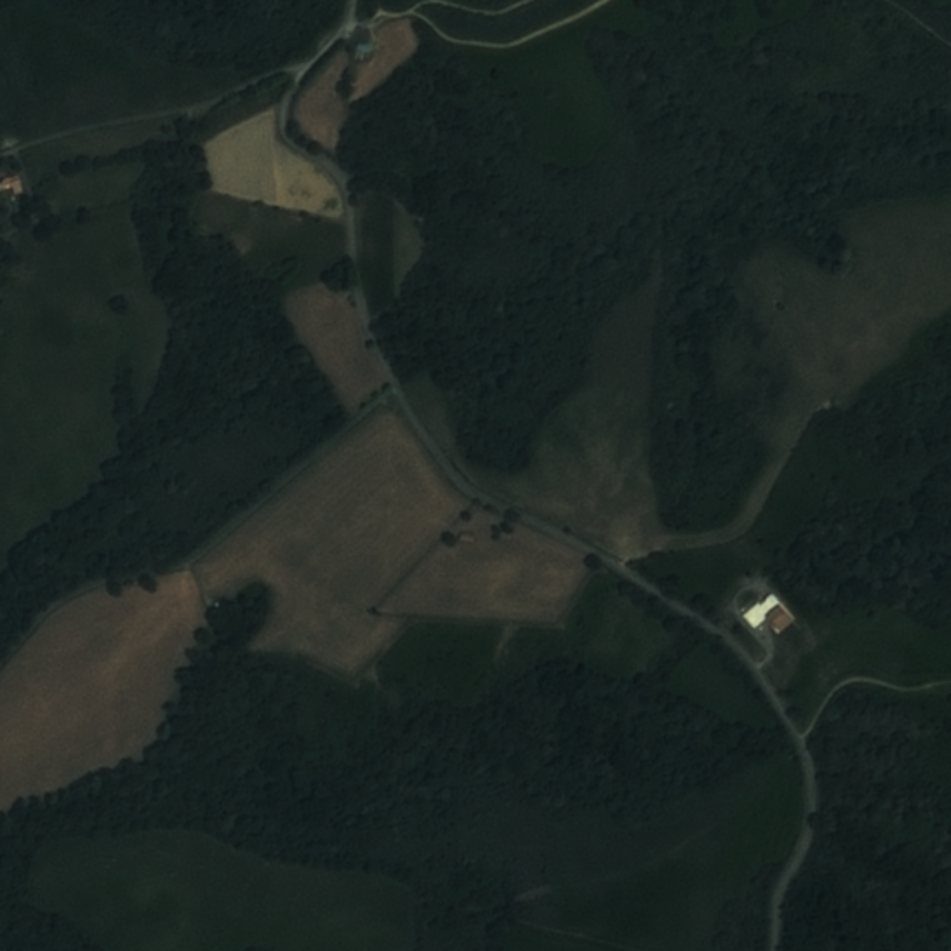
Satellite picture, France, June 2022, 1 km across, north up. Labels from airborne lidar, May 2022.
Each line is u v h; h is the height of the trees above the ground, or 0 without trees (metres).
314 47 0
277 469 6
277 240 0
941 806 10
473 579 0
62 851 0
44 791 0
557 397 8
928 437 24
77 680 0
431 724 15
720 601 0
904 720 13
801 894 11
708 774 12
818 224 10
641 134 7
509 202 12
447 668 0
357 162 7
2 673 0
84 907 0
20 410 0
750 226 11
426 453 0
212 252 19
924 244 0
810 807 0
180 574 0
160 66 0
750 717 0
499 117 6
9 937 16
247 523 0
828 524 19
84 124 0
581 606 0
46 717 0
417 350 10
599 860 0
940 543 26
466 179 11
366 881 0
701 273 23
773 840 0
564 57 0
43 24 0
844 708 9
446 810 13
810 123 6
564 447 0
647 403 0
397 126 7
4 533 0
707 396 9
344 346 0
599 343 0
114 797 13
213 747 8
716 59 11
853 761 13
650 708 16
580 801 12
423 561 0
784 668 0
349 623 0
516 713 14
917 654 0
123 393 13
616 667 0
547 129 0
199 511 6
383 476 0
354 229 0
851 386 0
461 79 11
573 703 20
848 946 20
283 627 0
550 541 0
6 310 0
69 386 0
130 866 0
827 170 15
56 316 0
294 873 0
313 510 0
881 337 0
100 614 0
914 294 0
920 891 12
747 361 0
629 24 0
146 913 0
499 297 7
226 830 9
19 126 0
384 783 18
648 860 0
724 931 8
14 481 0
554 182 6
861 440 11
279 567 0
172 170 13
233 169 0
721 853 0
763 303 0
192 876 0
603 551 0
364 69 0
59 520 20
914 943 14
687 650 5
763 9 12
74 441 0
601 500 0
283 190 0
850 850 12
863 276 0
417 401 0
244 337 13
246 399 19
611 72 12
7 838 15
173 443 11
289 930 0
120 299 9
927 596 22
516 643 0
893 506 18
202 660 17
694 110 7
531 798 7
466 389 9
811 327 0
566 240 7
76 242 0
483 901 6
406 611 0
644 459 0
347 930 0
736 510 0
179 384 18
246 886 0
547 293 17
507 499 0
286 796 15
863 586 20
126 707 0
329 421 18
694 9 14
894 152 9
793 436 0
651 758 12
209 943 0
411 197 7
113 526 7
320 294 0
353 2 0
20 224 17
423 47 6
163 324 0
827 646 0
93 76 0
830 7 15
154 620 0
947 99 13
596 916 0
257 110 0
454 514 0
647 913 0
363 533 0
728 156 10
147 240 16
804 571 12
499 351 11
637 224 18
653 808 6
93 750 0
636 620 0
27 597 18
